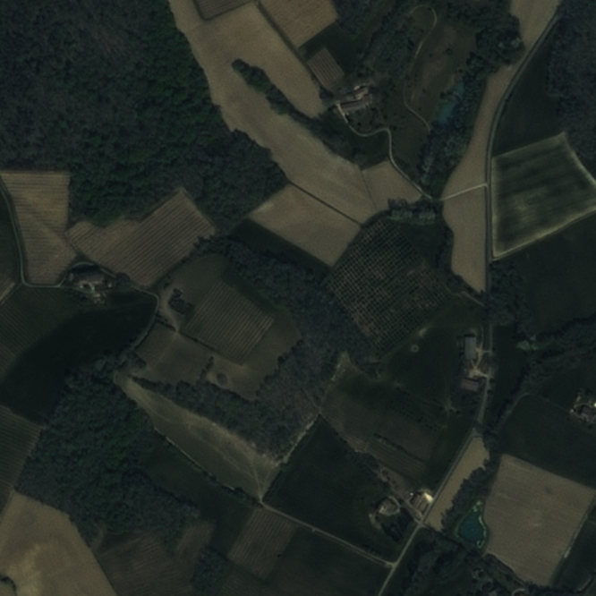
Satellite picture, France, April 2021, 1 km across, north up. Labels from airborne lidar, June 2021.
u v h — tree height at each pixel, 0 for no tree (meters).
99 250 0
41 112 15
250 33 0
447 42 0
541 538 0
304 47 0
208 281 0
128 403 24
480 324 0
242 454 0
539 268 0
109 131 21
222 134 19
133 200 21
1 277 0
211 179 23
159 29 24
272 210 0
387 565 0
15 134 17
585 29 17
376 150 0
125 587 0
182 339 0
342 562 0
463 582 0
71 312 0
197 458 0
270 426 19
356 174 0
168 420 0
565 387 0
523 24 0
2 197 0
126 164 18
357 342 22
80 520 18
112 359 12
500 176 0
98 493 23
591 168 6
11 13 18
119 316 0
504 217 0
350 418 0
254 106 0
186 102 16
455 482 0
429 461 0
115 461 27
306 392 20
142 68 18
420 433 0
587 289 0
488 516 0
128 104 24
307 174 0
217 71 0
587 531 0
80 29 14
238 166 20
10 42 14
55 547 0
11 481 0
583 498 0
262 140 0
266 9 0
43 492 16
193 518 8
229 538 0
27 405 0
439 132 16
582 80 20
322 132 24
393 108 0
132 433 22
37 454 12
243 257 13
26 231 0
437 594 0
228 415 21
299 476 0
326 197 0
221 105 0
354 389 0
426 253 0
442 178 23
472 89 24
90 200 14
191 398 21
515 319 13
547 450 0
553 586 0
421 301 6
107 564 0
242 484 0
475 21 13
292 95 0
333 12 0
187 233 0
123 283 19
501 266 9
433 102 0
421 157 0
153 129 24
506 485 0
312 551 0
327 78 0
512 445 0
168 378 0
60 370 0
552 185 0
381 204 0
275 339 0
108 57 19
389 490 16
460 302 0
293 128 0
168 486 0
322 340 17
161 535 16
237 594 0
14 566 0
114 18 18
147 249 0
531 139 0
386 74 23
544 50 0
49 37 16
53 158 21
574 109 18
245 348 0
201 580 17
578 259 0
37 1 18
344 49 0
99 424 23
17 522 0
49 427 18
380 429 0
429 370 0
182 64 25
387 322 7
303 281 25
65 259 0
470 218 0
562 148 0
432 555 29
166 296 0
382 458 0
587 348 27
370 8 13
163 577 0
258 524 0
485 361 0
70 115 18
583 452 0
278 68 0
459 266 0
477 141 0
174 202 0
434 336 0
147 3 22
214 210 17
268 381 13
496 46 19
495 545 0
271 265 21
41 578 0
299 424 15
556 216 0
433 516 0
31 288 0
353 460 12
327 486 0
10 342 0
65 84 18
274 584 0
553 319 0
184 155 31
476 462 0
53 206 0
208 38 0
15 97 20
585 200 0
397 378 0
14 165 12
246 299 0
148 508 22
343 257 0
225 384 14
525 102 0
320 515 0
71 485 20
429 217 24
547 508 0
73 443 21
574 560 0
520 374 0
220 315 0
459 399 14
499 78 0
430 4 15
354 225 0
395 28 19
